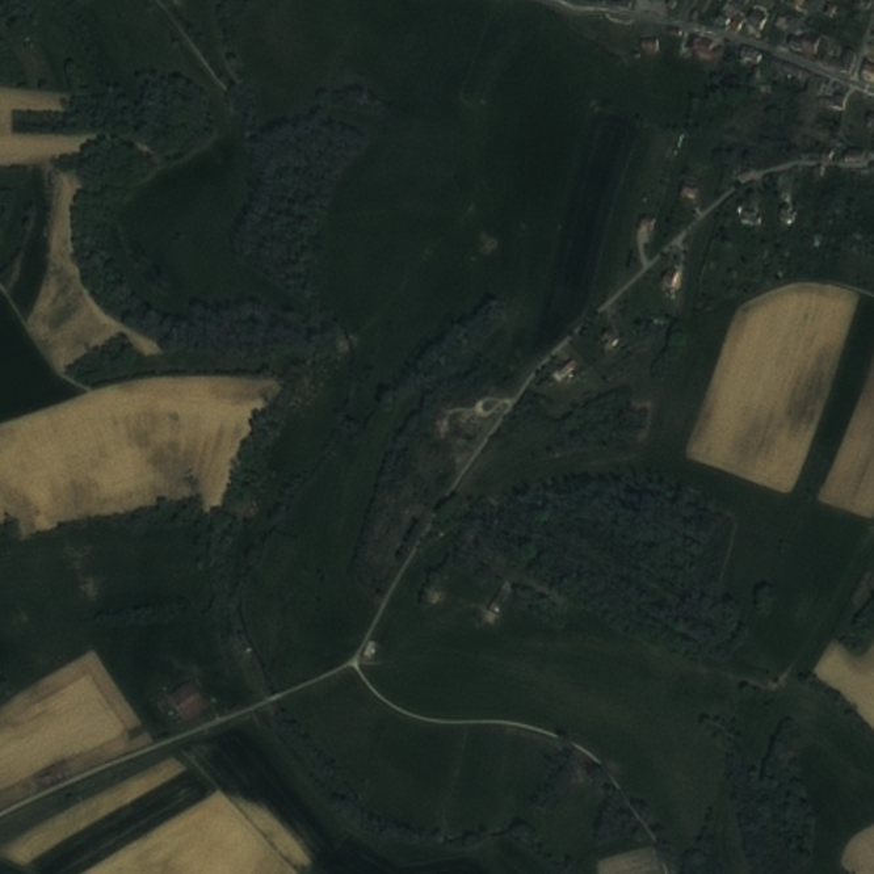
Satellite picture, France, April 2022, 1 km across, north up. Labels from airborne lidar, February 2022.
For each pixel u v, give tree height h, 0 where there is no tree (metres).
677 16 0
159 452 0
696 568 12
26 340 0
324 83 0
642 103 0
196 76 0
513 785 0
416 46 0
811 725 0
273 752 0
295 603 0
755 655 0
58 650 0
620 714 0
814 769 0
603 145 0
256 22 0
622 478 23
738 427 0
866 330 0
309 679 0
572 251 0
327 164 25
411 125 0
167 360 8
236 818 0
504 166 0
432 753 0
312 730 0
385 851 0
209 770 0
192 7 0
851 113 0
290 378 12
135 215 0
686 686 0
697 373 0
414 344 0
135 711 0
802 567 0
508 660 0
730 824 0
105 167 16
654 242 0
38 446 0
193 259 0
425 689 0
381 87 0
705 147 0
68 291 0
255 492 16
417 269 0
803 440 0
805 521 0
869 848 0
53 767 0
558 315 0
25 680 0
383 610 0
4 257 0
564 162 0
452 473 0
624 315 8
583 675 0
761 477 0
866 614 8
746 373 0
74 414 0
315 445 0
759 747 0
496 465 0
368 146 20
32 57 0
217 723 0
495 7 0
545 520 20
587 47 0
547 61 0
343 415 10
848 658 0
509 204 0
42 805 0
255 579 0
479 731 0
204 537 8
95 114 8
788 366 0
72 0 7
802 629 0
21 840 0
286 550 0
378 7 0
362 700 0
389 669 0
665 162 0
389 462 9
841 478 0
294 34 0
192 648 0
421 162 0
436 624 0
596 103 0
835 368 0
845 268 0
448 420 0
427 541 7
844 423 0
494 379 7
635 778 0
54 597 0
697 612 23
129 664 0
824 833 0
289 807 0
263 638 0
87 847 0
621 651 0
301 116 0
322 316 17
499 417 0
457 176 0
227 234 0
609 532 30
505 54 0
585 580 21
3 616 0
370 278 0
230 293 0
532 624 0
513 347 0
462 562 19
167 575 0
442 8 0
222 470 0
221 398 0
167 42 0
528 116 0
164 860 0
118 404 0
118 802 0
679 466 0
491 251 0
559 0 0
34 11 7
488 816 0
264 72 0
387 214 0
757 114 0
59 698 0
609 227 0
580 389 0
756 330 0
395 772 0
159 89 16
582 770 0
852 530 0
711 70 0
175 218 0
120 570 0
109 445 0
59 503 0
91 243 15
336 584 0
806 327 0
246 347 25
